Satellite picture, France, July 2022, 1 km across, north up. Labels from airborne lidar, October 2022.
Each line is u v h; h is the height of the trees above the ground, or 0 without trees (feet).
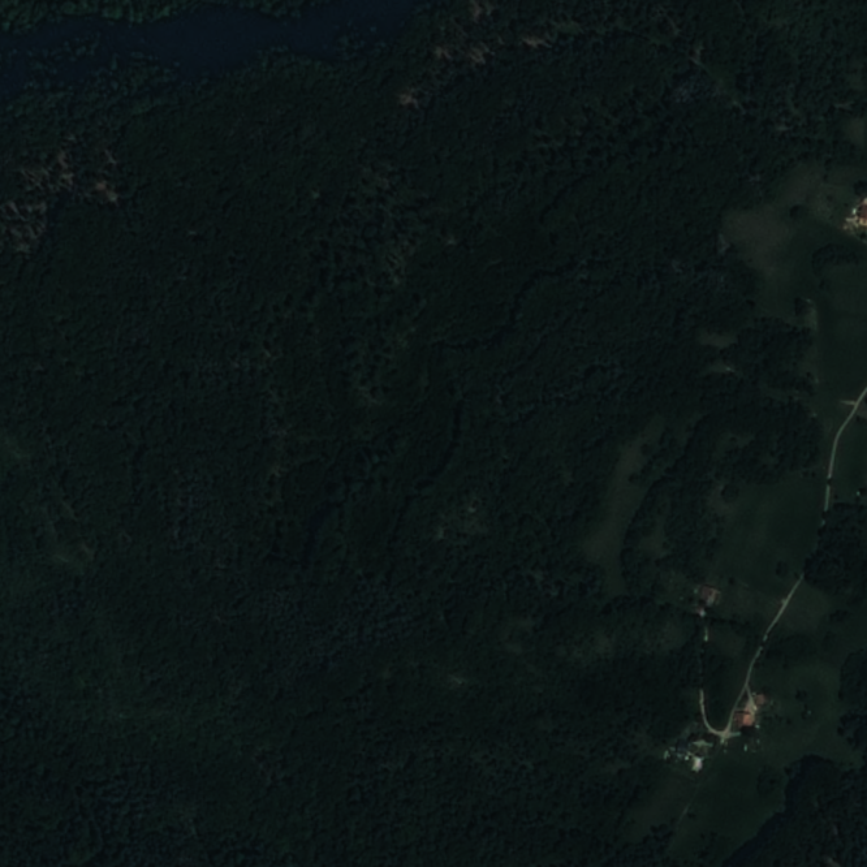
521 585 80
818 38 23
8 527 47
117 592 54
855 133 0
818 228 0
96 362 79
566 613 67
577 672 28
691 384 42
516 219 38
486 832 52
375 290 39
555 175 64
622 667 39
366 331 31
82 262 81
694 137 56
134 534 51
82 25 70
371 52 136
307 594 88
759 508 0
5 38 52
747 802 0
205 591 79
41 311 59
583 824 38
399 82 79
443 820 59
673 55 87
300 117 78
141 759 59
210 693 37
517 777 42
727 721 0
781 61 62
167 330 88
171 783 71
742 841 0
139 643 39
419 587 44
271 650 73
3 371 45
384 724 56
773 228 0
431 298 44
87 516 54
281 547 34
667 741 32
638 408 53
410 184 57
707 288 93
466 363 54
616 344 27
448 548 26
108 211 89
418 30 66
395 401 43
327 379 19
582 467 52
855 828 76
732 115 79
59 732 44
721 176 73
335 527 79
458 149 82
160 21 72
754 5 53
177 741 48
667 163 62
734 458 41
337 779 97
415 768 67
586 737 50
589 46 102
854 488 0
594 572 52
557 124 88
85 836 90
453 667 25
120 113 44
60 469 44
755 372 26
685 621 33
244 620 71
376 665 69
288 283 74
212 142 73
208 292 76
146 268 76
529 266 45
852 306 0
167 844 72
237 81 60
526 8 85
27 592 28
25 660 24
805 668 0
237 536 65
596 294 59
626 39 96
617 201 47
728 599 0
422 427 28
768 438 30
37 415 48
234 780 55
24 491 71
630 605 66
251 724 49
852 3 40
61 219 99
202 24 74
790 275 0
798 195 0
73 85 94
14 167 92
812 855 79
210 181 75
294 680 73
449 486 44
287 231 70
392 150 90
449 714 28
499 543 30
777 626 19
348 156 64
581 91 125
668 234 50
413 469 29
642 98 100
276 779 56
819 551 22
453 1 70
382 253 95
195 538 60
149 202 87
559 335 61
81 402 69
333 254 54
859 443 0
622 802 58
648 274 54
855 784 66
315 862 73
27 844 41
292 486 34
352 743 76
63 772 97
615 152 96
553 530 43
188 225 79
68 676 54
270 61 30
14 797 44
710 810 0
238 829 78
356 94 57
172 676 47
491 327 29
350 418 33
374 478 19
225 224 85
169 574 57
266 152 71
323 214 74
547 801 21
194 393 69
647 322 50
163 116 61
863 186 58
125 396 70
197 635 68
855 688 26
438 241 23
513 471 49
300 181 56
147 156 60
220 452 83
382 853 61
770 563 0
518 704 31
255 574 75
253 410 76
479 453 31
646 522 32
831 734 0
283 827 62
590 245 53
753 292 70
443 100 89
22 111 55
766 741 0
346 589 47
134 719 38
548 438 55
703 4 67
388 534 37
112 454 72
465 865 37
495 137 109
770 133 78
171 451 76
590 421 24
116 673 31
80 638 35
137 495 39
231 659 45
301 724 68
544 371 45
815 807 82
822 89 33
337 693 56
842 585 70
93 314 66
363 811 70
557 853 73
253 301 76
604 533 0
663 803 0
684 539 28
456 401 19
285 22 65
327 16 67
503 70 86
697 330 53
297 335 29
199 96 54
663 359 68
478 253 24
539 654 20
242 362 76
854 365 0
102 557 35
